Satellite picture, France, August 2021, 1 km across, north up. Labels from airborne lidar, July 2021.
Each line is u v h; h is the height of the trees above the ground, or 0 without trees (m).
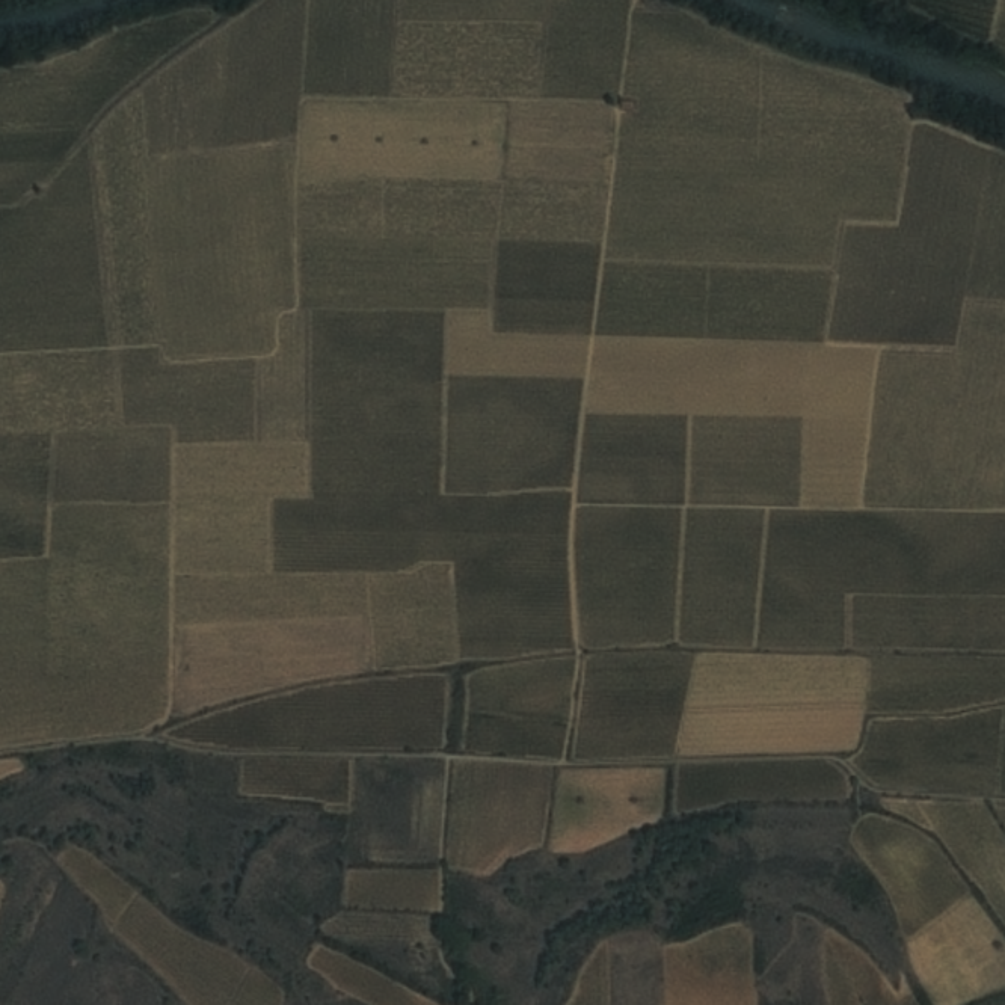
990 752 0
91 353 0
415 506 0
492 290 0
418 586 0
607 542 0
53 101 0
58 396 0
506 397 0
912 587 0
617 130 0
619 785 0
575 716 0
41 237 0
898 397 0
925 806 0
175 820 0
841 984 0
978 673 0
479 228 0
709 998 0
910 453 0
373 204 0
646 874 6
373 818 0
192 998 0
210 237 0
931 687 0
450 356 0
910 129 0
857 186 0
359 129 0
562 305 0
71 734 0
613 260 0
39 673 0
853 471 0
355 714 0
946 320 0
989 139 15
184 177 0
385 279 0
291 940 0
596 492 0
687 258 0
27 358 0
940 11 0
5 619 0
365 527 0
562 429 0
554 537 0
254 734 0
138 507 0
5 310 0
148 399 0
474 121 0
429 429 0
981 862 0
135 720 0
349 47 0
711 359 0
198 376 0
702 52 0
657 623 0
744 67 0
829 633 0
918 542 0
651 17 0
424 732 0
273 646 0
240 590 0
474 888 0
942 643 0
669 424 0
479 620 0
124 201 0
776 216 0
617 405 0
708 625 0
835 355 0
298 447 0
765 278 0
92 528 0
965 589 0
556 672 0
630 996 0
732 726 0
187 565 0
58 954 0
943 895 0
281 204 0
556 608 0
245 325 0
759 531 0
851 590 0
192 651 0
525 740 0
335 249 0
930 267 0
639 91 0
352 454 0
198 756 0
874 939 0
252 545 0
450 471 0
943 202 0
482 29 0
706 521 0
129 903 0
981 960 0
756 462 0
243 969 0
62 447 0
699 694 0
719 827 15
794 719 0
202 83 0
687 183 0
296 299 0
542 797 0
